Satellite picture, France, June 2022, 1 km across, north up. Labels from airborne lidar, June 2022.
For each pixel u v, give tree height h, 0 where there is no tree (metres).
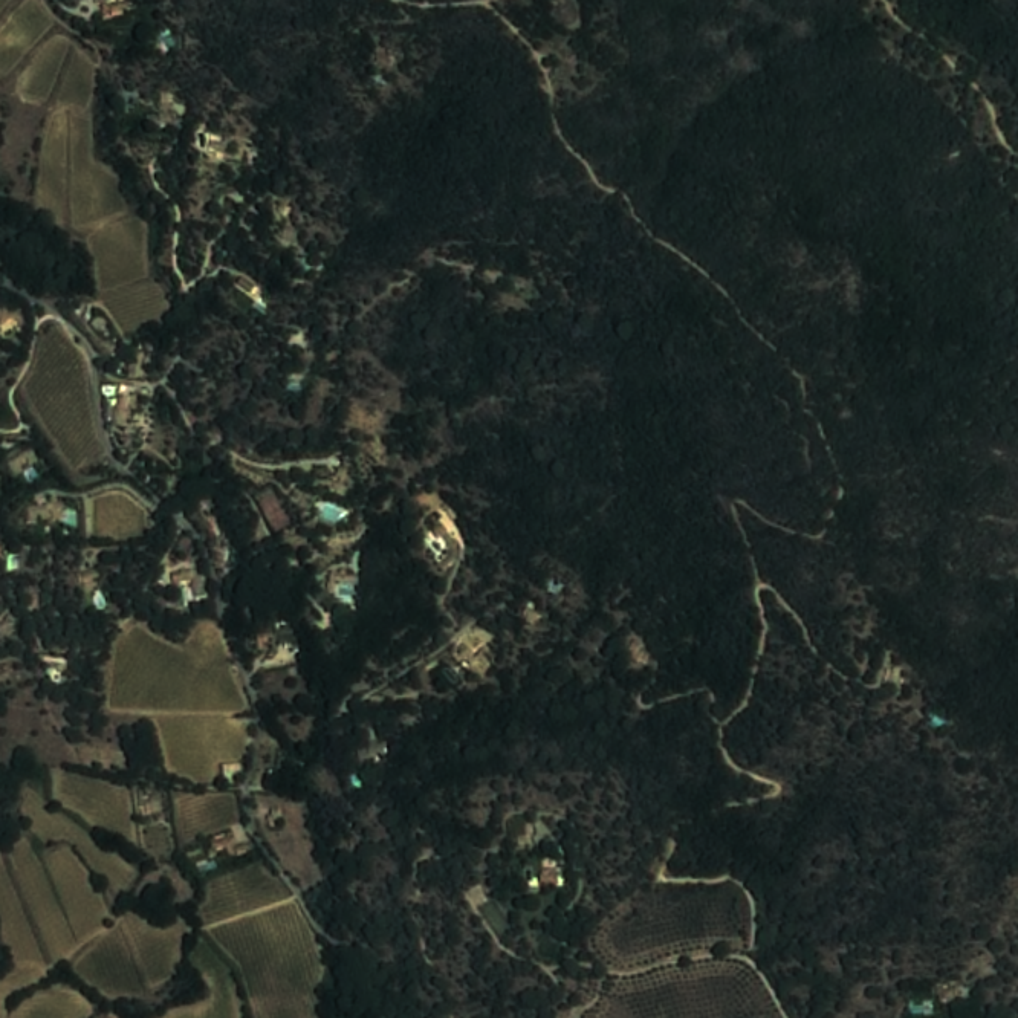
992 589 7
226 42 7
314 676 13
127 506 0
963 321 9
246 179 8
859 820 9
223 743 0
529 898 11
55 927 0
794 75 10
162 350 10
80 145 0
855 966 7
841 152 8
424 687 8
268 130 10
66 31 0
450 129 7
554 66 7
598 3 7
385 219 7
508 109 6
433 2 7
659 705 8
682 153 10
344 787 12
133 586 11
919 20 9
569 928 11
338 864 13
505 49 6
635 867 7
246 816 8
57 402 0
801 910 9
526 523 6
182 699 0
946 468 6
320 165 12
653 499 7
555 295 9
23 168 6
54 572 6
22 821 10
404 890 9
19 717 0
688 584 8
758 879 13
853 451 6
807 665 7
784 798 7
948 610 9
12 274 11
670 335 8
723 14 7
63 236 14
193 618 11
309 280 9
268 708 13
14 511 8
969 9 10
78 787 0
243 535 14
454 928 9
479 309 10
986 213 7
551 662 8
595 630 13
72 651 10
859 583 7
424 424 8
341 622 11
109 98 9
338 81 7
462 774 10
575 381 8
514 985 10
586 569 8
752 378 10
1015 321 7
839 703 12
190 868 7
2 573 9
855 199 7
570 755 6
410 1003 8
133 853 14
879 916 6
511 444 6
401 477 7
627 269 6
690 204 6
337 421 8
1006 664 11
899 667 9
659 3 7
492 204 9
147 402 12
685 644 14
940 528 9
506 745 7
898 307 12
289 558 12
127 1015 9
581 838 11
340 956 13
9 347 9
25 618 11
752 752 8
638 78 6
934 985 8
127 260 0
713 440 8
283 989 0
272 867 8
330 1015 11
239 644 11
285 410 9
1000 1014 12
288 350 9
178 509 13
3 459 10
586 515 7
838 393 7
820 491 8
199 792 9
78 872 0
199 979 9
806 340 6
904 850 10
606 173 7
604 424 6
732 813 10
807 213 13
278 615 9
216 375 8
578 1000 9
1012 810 6
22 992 9
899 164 7
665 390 9
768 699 6
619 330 16
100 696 8
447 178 8
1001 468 6
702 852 10
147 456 10
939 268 8
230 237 10
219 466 8
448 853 12
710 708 9
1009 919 0
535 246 9
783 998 10
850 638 9
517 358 10
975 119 9
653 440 9
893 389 8
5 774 7
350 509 8
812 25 7
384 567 12
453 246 8
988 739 7
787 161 8
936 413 6
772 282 6
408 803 8
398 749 11
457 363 7
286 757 5
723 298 8
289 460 8
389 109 7
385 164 8
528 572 7
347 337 8
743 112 8
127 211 0
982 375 6
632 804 6
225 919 0
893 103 8
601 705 9
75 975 12
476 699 15
